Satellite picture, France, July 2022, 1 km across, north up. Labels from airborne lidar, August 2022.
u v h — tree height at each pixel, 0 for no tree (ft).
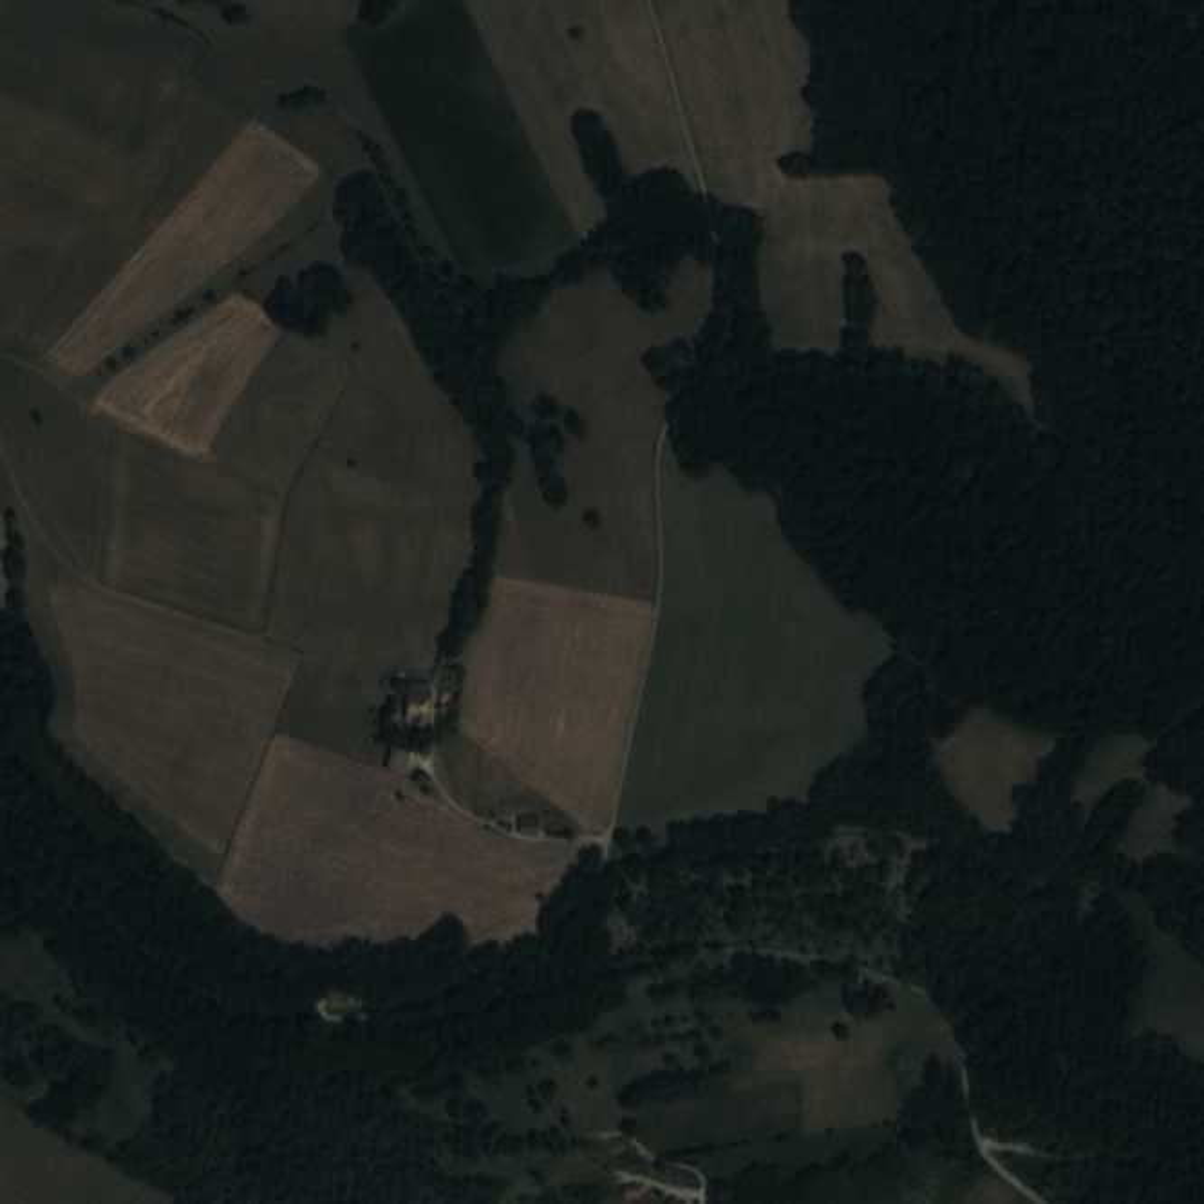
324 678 0
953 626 64
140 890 78
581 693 0
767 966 62
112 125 0
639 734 0
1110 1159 38
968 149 109
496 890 0
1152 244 103
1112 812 23
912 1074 0
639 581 0
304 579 0
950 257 81
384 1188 37
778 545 0
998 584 80
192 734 0
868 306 52
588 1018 46
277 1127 57
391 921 0
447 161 0
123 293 0
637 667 0
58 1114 65
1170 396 88
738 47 0
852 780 50
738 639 0
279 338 0
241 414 0
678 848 47
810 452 65
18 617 53
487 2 0
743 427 65
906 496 72
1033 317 94
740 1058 0
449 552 0
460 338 68
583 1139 19
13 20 0
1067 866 38
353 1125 58
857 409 93
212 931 70
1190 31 29
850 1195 0
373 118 0
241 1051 62
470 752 0
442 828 0
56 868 56
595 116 49
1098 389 110
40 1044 34
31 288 0
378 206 78
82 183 0
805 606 0
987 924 38
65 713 0
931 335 0
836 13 50
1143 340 94
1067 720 56
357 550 0
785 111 0
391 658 0
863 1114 0
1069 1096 45
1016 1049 53
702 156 0
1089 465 81
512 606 0
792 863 40
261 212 0
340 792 0
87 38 0
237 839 0
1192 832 55
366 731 0
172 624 0
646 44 0
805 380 87
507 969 60
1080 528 82
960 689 47
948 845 42
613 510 0
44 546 0
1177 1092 53
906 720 61
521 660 0
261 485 0
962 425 75
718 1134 0
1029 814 50
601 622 0
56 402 0
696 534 0
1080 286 104
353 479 0
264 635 0
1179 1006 0
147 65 0
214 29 0
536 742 0
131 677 0
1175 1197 83
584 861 52
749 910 57
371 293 0
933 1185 0
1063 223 41
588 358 0
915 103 90
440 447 0
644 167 0
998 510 72
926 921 39
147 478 0
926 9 100
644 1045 43
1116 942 57
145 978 73
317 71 0
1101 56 93
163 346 0
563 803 0
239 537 0
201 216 0
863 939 30
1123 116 72
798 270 0
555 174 0
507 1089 0
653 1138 0
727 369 56
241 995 66
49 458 0
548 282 50
